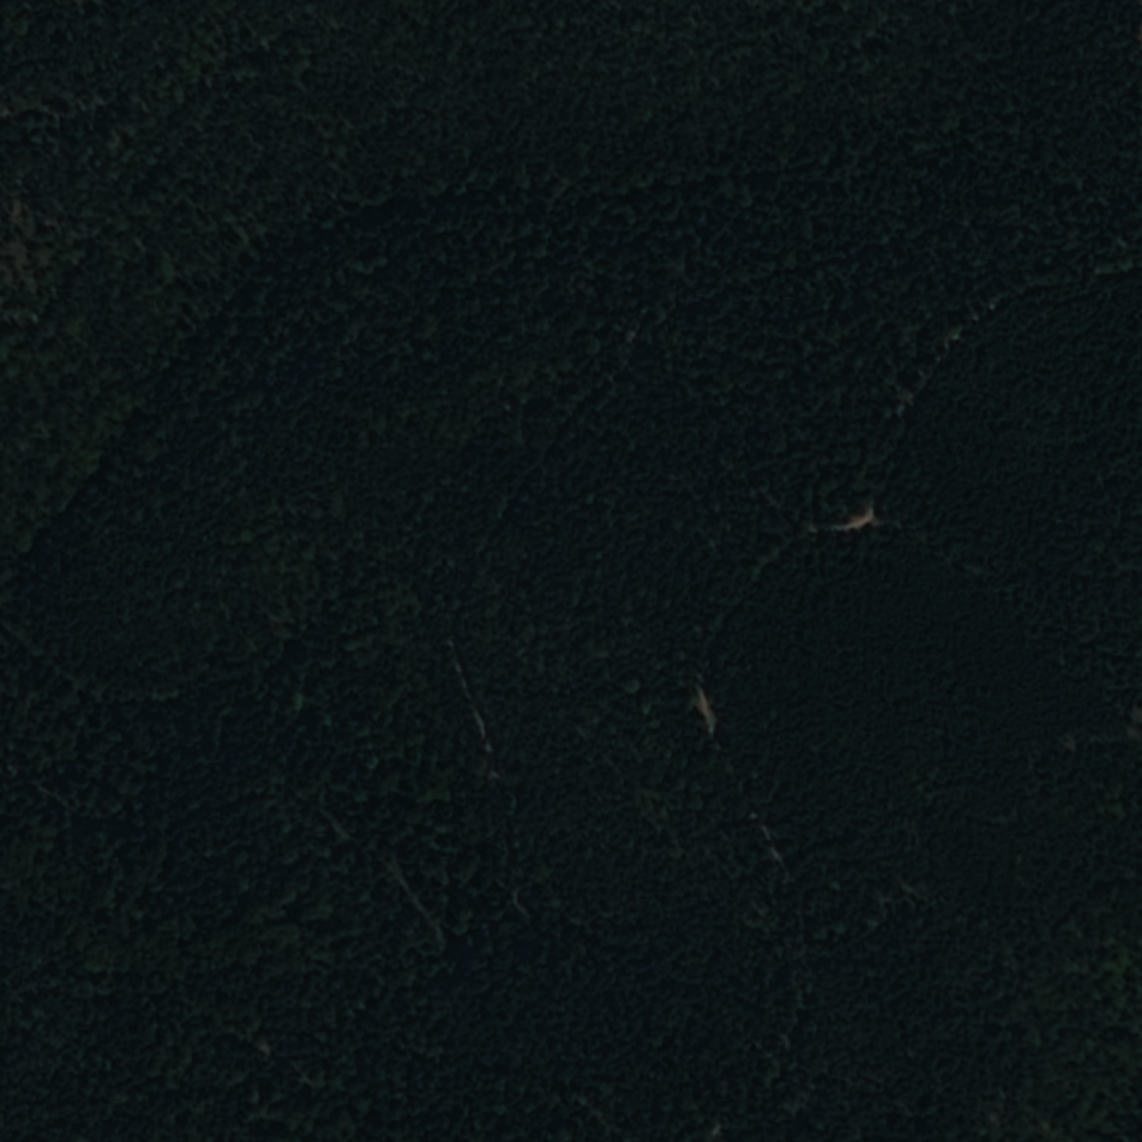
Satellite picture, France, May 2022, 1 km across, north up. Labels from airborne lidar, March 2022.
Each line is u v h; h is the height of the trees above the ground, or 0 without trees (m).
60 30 7
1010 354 9
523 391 31
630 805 25
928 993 26
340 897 32
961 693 15
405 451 29
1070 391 18
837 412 10
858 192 25
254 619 32
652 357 32
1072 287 16
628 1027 28
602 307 29
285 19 27
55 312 22
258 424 27
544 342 27
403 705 31
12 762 29
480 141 27
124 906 31
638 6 24
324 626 29
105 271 27
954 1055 27
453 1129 25
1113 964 27
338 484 22
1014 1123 33
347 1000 9
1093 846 17
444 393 24
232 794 27
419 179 11
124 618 15
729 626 20
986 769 16
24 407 31
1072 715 14
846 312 18
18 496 26
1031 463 13
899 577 17
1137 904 27
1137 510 16
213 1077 21
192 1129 23
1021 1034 31
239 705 26
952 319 29
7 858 29
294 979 30
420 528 31
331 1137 34
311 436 24
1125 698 10
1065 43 22
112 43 26
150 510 23
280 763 35
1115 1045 32
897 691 12
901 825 21
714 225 31
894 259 27
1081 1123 31
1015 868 17
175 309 15
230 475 24
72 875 35
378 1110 32
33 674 28
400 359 8
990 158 21
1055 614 20
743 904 27
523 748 20
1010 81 25
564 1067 28
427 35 25
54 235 11
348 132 29
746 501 28
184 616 20
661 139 28
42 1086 23
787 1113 24
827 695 11
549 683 17
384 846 38
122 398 28
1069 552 23
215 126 29
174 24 14
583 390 25
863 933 24
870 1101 25
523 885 32
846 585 13
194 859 32
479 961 41
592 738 23
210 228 31
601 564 29
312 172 30
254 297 30
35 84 26
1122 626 21
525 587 26
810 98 17
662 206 33
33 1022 28
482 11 27
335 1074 28
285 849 32
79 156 17
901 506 27
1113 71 20
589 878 31
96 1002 23
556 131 27
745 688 22
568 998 34
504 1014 30
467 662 23
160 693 20
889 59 26
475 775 31
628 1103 29
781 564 8
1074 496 16
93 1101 26
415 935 33
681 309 18
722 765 26
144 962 27
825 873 23
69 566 33
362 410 25
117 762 27
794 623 10
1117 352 19
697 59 25
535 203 27
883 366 31
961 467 17
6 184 29
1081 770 22
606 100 15
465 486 29
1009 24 27
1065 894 32
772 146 29
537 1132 26
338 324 27
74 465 23
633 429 30
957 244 12
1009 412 11
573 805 24
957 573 10
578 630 22
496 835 31
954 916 23
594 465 28
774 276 16
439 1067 35
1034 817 27
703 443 26
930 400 19
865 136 27
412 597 23
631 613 24
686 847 31
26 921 30
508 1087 27
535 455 32
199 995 30
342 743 31
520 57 23
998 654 16
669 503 28
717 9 25
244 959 29
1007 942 26
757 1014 25
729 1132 25
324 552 23
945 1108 26
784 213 23
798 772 20
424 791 32
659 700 22
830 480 27
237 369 28
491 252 28
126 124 25
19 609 28
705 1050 27
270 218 29
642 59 25
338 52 33
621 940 30
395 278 31
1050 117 24
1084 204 17
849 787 18
